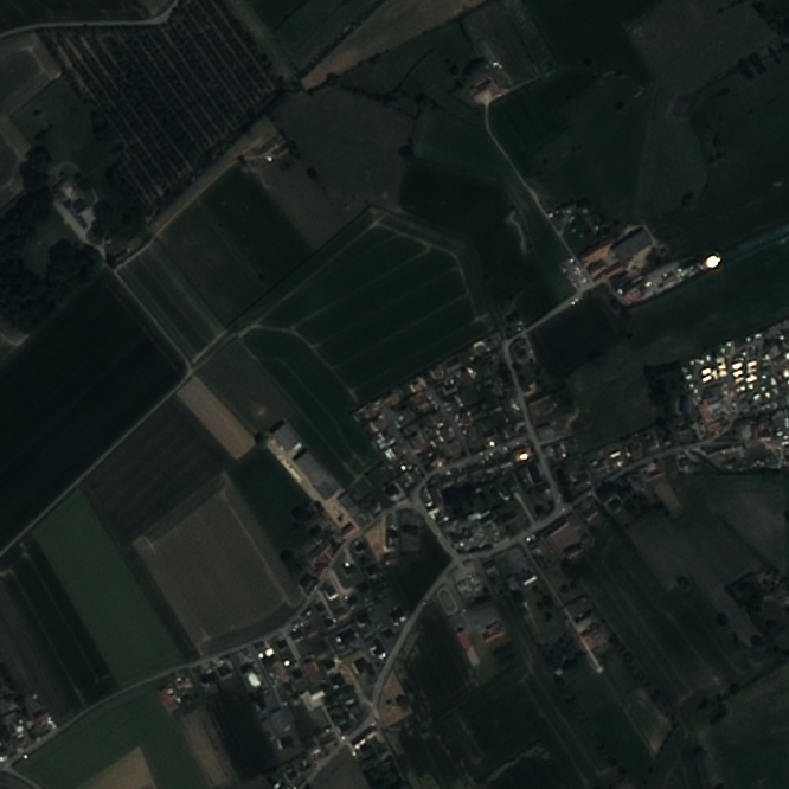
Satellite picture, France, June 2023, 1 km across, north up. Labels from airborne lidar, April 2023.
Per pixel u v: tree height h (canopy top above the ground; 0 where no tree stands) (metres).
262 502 0
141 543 0
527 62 0
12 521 0
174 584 0
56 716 0
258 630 0
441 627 0
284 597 0
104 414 0
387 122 0
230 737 0
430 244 0
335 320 0
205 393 0
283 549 0
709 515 0
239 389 0
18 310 24
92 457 0
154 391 0
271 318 0
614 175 0
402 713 0
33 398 0
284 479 0
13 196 0
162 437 0
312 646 0
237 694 0
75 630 0
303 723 0
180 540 0
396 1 0
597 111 0
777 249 0
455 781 0
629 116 0
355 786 0
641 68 0
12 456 0
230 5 0
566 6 0
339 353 0
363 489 0
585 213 0
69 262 27
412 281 0
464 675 0
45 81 0
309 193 0
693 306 0
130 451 0
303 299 0
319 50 0
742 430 0
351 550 0
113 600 0
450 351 0
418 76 0
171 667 0
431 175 0
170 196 13
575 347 0
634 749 0
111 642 0
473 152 0
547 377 0
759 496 0
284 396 0
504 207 0
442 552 0
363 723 0
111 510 0
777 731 0
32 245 0
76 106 0
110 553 0
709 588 0
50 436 0
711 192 0
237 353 0
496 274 0
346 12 0
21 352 0
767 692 0
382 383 0
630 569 0
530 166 0
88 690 0
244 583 0
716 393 0
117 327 0
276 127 0
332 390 0
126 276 0
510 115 0
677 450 0
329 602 0
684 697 0
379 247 0
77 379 0
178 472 0
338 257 0
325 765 0
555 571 0
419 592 0
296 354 0
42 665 0
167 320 0
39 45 0
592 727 11
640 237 0
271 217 0
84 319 0
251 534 0
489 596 9
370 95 7
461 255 0
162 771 0
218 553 0
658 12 0
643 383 0
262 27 0
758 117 0
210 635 0
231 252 0
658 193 0
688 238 0
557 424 0
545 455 0
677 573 0
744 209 0
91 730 0
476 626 0
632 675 0
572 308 0
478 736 0
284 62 0
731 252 0
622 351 0
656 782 0
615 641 14
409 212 0
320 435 0
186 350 0
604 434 0
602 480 0
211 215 0
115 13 0
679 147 0
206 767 0
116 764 0
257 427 0
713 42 0
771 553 0
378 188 0
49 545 0
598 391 0
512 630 0
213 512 0
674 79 0
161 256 0
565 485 11
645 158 0
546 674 0
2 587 0
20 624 0
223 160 0
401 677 0
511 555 0
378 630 0
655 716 0
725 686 0
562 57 0
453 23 0
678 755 0
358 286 0
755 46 0
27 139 0
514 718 0
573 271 0
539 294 0
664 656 0
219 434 0
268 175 0
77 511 0
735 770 0
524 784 0
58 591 0
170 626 0
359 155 0
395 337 0
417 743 0
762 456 0
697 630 0
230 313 0
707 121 0
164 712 0
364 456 0
